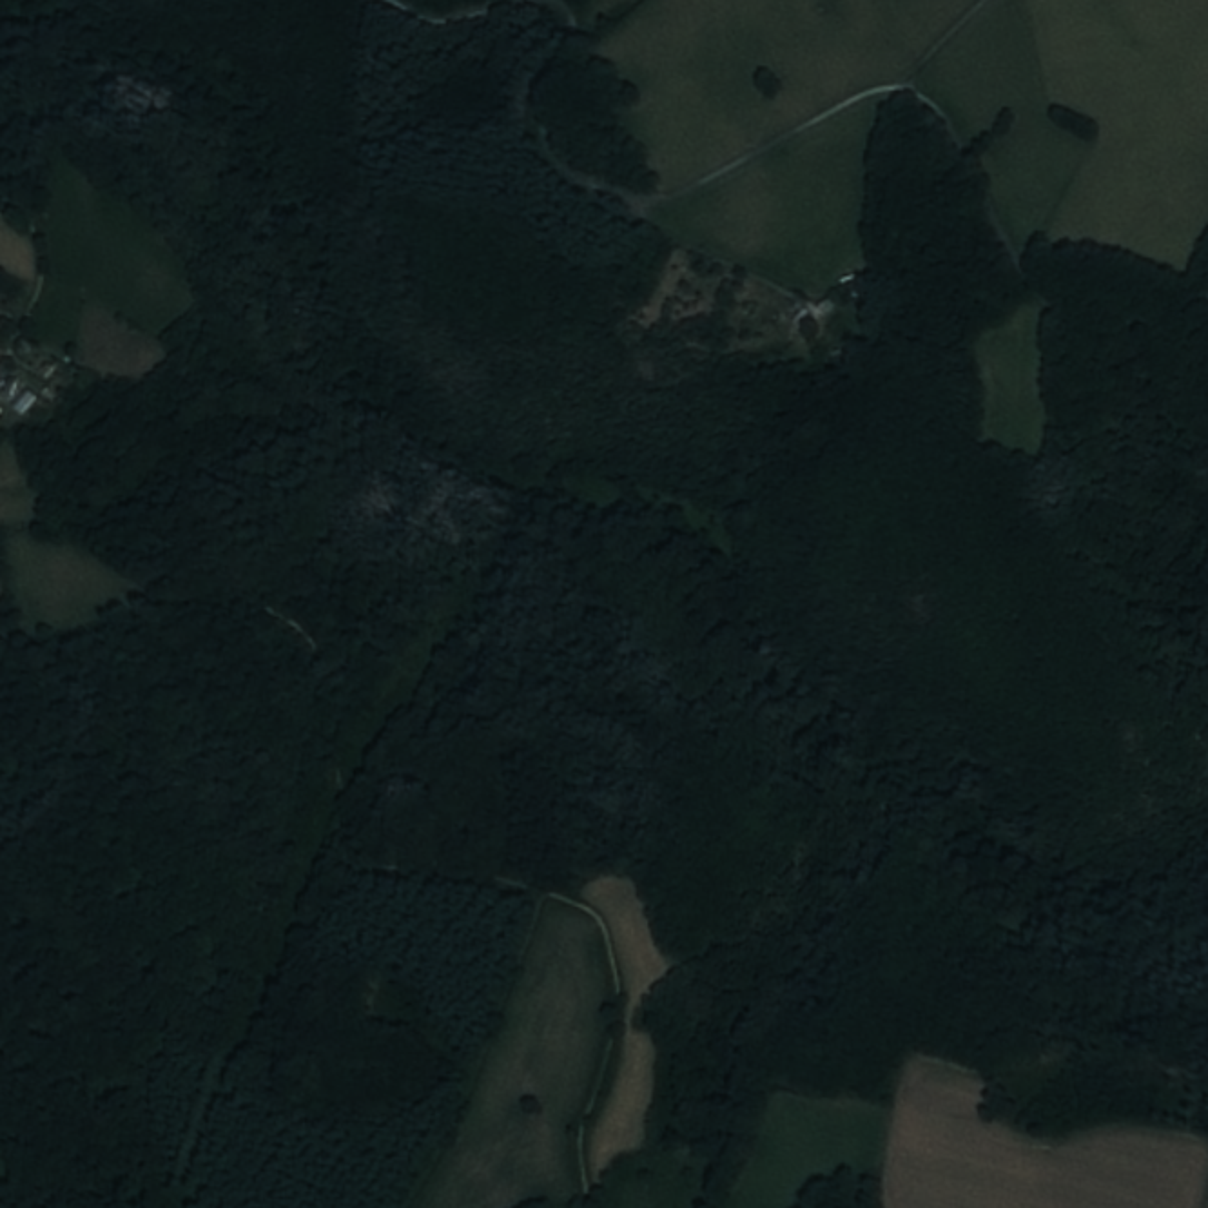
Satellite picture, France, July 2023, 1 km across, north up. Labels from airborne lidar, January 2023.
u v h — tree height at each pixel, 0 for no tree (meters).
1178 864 28
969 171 22
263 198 20
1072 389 20
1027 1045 29
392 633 22
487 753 26
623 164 13
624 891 0
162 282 0
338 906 20
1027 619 17
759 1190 0
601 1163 0
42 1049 23
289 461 21
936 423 16
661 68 0
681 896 20
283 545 26
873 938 19
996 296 19
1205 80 0
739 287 15
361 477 31
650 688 34
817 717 32
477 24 12
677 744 24
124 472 24
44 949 24
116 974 24
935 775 31
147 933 23
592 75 20
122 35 20
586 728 25
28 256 0
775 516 19
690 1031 18
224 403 28
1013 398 0
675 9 0
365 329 18
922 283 25
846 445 17
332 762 21
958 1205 0
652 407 14
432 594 23
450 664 26
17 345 7
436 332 7
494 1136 0
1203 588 25
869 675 20
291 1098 19
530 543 32
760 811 25
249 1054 21
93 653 19
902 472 17
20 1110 25
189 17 13
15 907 26
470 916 20
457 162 28
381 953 21
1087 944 26
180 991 26
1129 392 25
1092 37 0
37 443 13
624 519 27
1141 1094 6
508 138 27
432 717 24
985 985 28
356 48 21
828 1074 18
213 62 10
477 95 15
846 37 0
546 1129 0
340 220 22
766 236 0
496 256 23
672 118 0
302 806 17
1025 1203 0
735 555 10
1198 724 23
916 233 23
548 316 20
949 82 0
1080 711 16
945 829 30
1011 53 0
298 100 12
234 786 15
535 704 24
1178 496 25
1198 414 26
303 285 24
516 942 22
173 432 29
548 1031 0
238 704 17
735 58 0
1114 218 0
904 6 0
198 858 18
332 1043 23
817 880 20
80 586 0
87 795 15
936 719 18
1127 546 25
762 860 22
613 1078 0
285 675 20
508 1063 0
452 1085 19
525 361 12
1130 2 0
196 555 23
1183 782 19
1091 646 21
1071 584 22
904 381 20
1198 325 25
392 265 12
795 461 16
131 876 19
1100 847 16
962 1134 0
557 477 24
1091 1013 11
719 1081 6
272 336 29
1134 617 27
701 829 24
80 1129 25
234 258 23
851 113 0
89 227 0
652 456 16
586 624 21
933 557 12
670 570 27
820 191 0
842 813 16
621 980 0
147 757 5
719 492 19
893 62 0
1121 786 16
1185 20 0
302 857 7
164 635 19
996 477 22
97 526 14
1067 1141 0
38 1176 22
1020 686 17
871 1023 22
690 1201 0
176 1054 18
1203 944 17
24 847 23
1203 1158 0
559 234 26
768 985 25
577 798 21
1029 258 15
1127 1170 0
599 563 25
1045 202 0
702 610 16
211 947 6
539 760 19
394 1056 21
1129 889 22
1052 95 0
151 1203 23
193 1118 20
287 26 12
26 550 0
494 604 18
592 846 20
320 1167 18
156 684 16
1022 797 27
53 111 13
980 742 23
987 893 23
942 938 26
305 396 30
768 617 22
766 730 31
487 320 20
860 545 13
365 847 23
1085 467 22
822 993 25
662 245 10
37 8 14
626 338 7
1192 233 0
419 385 8
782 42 0
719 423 17
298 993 21
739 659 33
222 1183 21
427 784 35
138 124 33
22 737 21
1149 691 25
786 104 0
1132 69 0
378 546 36
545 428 10
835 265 0
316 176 12
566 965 0
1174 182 0
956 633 13
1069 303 19
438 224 19
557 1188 0
